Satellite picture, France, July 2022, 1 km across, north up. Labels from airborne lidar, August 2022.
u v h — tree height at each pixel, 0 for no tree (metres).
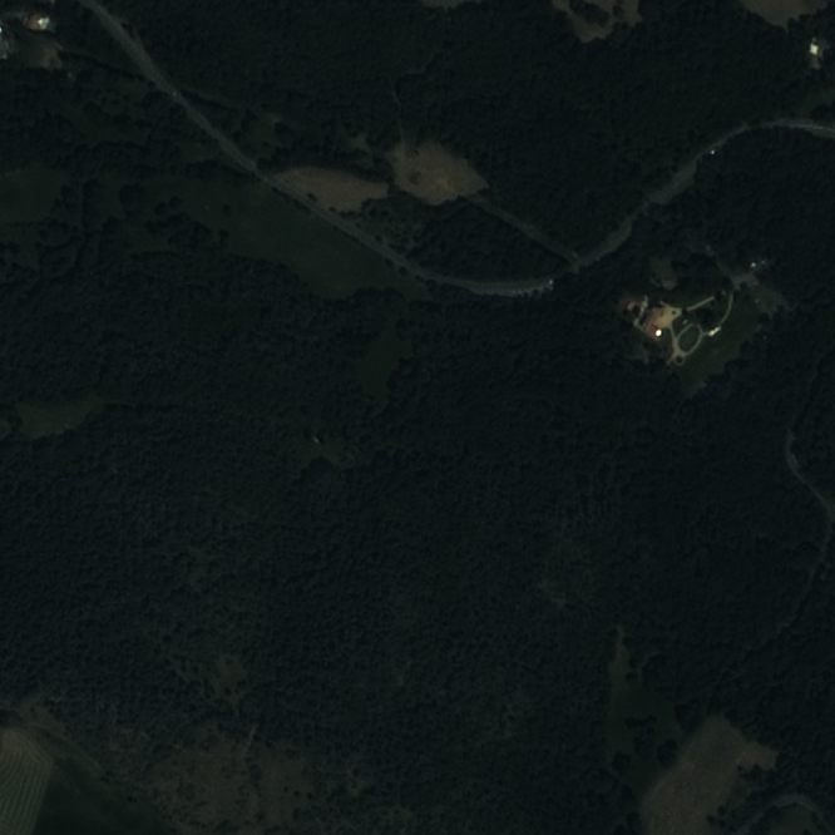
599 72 18
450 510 15
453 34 22
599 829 29
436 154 0
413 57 15
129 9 16
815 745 23
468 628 9
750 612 19
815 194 23
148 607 13
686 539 24
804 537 17
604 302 20
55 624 15
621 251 11
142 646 10
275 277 22
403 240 6
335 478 27
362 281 0
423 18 19
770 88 20
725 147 10
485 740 6
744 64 16
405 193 8
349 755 11
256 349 19
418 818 10
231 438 12
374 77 19
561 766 25
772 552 22
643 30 21
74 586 13
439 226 17
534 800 16
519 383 17
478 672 8
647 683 13
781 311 15
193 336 7
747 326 0
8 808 0
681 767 0
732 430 20
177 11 19
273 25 18
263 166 15
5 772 0
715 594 17
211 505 7
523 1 22
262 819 5
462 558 13
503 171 21
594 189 16
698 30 18
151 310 18
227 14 18
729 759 0
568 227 20
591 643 18
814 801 13
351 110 22
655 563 23
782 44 20
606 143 19
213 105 13
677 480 25
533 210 19
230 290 20
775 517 19
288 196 10
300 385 19
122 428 13
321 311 25
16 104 21
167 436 15
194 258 11
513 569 11
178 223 16
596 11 17
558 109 24
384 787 14
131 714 9
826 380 20
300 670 18
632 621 15
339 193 0
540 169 18
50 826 0
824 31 15
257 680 6
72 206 18
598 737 23
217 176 13
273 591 17
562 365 17
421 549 8
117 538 17
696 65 17
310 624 20
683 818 0
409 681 12
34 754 0
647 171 8
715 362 0
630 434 23
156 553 10
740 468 19
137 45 0
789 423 15
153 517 9
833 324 19
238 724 9
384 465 24
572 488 10
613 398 22
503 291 0
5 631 12
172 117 12
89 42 9
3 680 17
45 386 19
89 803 0
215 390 19
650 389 19
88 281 26
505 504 15
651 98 16
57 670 9
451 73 27
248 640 10
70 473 6
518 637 24
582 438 19
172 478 15
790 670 23
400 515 7
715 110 16
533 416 18
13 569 19
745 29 23
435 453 12
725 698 18
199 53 19
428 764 10
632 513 21
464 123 21
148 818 0
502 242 21
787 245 24
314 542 20
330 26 16
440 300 15
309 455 0
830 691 21
